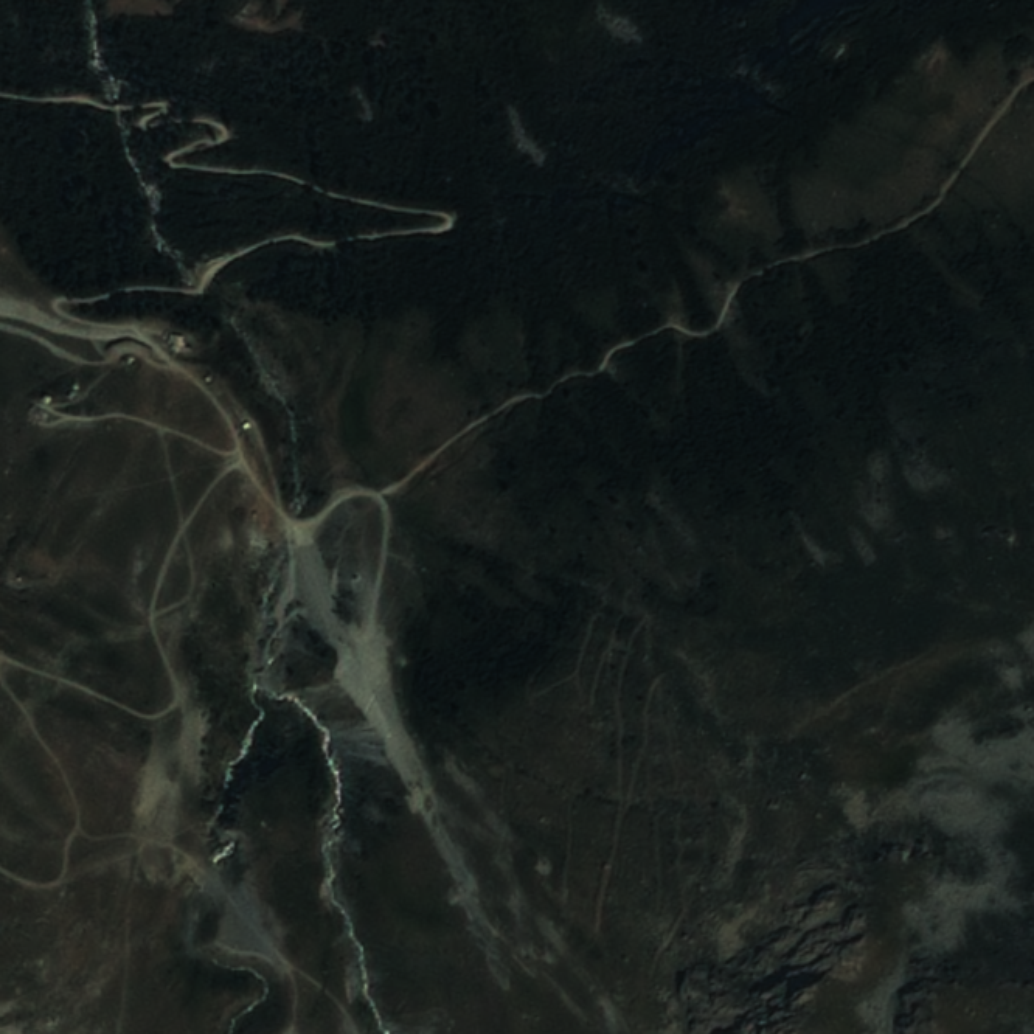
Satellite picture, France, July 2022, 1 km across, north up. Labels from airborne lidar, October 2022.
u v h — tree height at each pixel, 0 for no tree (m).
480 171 7
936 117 0
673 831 0
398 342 0
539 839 0
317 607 0
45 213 6
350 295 12
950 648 0
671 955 0
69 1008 0
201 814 0
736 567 0
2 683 0
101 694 0
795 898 0
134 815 0
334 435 0
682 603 0
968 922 0
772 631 0
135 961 0
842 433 0
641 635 0
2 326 0
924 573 0
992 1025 0
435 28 6
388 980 0
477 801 0
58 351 0
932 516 0
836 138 0
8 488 0
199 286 0
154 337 0
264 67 7
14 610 0
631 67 7
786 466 0
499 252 7
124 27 13
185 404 0
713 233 0
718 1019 0
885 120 0
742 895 0
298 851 0
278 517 0
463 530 0
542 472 0
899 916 0
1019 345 0
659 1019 0
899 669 0
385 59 16
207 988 0
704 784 0
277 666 0
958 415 0
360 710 0
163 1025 0
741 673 0
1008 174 0
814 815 0
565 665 0
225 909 0
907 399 0
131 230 21
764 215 0
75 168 6
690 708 0
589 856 0
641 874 0
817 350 5
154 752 0
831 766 0
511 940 0
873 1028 0
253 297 14
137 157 6
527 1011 0
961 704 0
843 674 0
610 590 0
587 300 0
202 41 7
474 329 0
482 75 8
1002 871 0
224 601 0
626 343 0
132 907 0
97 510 0
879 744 0
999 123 0
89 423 0
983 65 0
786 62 7
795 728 0
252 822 0
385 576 0
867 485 0
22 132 10
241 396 0
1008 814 0
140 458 0
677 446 6
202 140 0
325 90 13
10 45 7
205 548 0
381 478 0
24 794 0
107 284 17
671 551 0
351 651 0
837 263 0
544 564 0
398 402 0
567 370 7
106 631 0
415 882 0
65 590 0
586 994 0
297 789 0
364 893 0
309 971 0
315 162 10
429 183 8
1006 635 0
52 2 7
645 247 7
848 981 0
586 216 6
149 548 0
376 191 6
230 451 0
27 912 0
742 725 0
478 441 0
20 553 0
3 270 0
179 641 0
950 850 0
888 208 0
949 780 0
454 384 0
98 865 0
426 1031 0
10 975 0
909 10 6
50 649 0
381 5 8
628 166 5
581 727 0
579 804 0
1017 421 0
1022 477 0
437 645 0
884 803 0
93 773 0
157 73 6
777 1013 8
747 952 0
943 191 0
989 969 0
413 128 16
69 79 6
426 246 6
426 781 0
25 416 0
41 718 0
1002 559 0
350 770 0
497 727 0
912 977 0
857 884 0
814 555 0
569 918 0
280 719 0
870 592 0
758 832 0
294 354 0
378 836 0
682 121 7
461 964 0
